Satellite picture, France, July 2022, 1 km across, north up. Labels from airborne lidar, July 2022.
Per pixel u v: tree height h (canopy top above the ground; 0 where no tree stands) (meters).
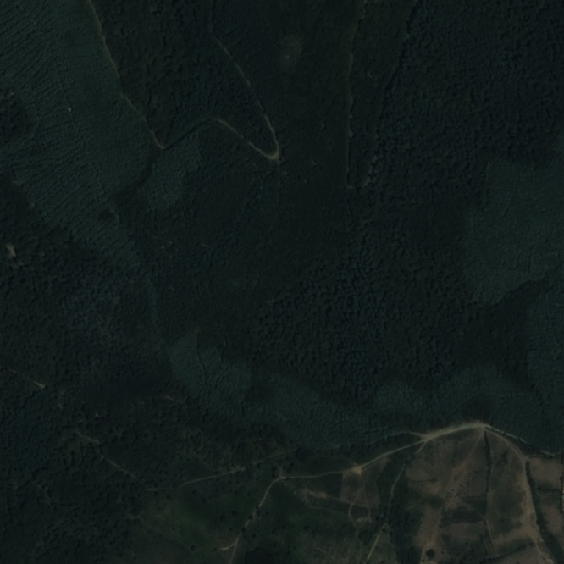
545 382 13
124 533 11
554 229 12
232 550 0
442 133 18
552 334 12
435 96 14
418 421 10
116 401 13
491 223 14
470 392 12
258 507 10
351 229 11
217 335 15
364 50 22
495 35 20
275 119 19
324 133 21
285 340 12
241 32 15
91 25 12
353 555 0
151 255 17
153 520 0
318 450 7
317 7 8
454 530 0
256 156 18
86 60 14
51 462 23
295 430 12
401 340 15
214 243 22
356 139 22
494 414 13
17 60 13
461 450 0
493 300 17
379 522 14
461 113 21
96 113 13
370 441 11
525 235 10
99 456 19
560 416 10
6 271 30
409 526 14
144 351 7
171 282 15
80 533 10
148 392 14
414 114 19
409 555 14
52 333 18
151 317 10
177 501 0
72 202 14
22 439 25
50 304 23
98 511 12
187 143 17
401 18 14
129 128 16
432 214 14
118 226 18
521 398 11
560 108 20
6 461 18
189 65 14
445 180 27
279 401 12
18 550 18
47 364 8
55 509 12
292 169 19
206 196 19
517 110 24
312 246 15
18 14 12
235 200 19
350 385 27
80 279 21
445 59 24
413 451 7
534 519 0
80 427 19
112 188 13
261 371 11
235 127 11
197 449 12
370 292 10
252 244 17
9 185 15
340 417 12
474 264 12
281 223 20
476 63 23
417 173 20
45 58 13
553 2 26
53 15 12
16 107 18
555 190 11
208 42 18
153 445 10
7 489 19
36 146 16
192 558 0
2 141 14
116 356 11
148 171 18
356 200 29
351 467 0
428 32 23
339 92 23
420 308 27
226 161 17
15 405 19
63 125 13
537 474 0
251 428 11
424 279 12
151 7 27
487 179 15
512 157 22
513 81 24
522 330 13
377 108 20
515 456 0
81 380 10
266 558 20
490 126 28
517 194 11
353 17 13
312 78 7
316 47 13
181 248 17
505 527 0
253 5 14
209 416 28
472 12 23
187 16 29
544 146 26
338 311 20
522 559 0
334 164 21
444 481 0
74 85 14
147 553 0
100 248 17
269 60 16
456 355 23
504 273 17
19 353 20
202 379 12
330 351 22
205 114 22
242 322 15
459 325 24
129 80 16
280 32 9
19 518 24
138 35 30
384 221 6
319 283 27
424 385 14
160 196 16
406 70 22
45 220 18
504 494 0
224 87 22
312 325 23
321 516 6
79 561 17
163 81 24
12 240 21
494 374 14
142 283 9
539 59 26
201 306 18
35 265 28
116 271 6
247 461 15
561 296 14
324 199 23
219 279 17
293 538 0
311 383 13
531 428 13
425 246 11
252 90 6
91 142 12
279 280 11
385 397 12
